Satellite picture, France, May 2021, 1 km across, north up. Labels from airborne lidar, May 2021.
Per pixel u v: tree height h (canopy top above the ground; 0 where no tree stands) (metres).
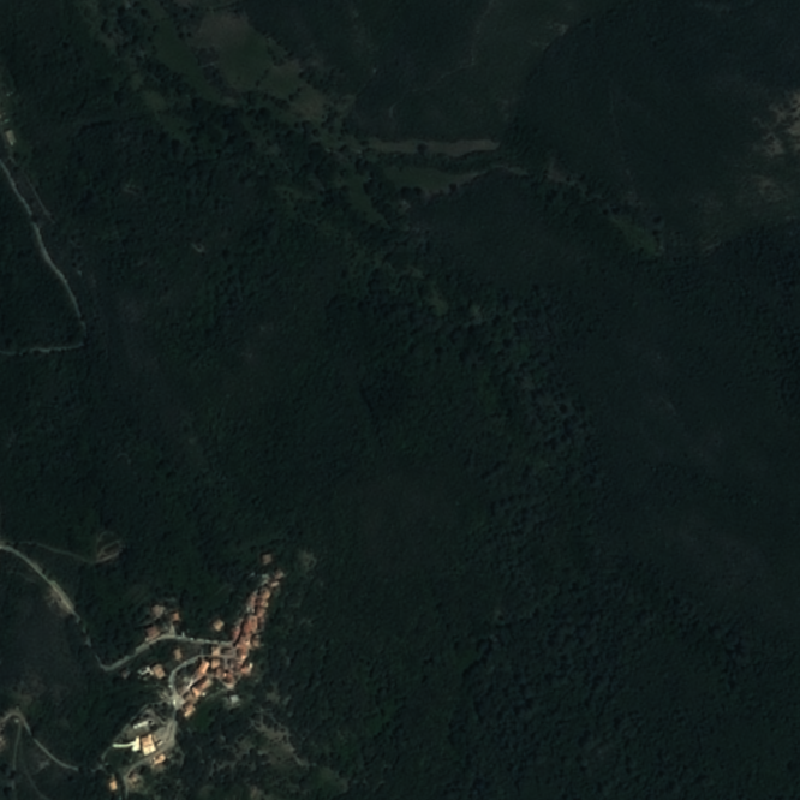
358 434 11
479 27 0
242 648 0
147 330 7
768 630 7
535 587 20
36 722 8
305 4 6
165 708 7
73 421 13
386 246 16
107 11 7
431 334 15
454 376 12
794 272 12
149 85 6
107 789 7
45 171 6
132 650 12
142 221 10
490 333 17
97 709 10
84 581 9
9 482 9
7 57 12
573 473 25
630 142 5
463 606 20
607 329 8
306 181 14
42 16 6
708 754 9
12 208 16
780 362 10
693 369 9
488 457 10
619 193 8
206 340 8
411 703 18
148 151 15
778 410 8
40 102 9
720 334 6
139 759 0
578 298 9
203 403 8
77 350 13
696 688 6
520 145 13
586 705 11
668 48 6
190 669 7
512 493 8
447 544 9
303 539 9
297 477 13
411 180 0
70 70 13
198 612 8
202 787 10
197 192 15
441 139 6
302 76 9
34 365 11
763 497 8
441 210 7
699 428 6
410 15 7
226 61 0
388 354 17
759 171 6
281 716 10
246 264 17
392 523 7
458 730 25
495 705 22
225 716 12
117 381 6
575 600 21
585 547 25
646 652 8
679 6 6
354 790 7
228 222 7
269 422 14
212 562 10
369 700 17
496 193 7
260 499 13
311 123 9
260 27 7
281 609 11
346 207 14
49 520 6
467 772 36
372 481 7
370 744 9
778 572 6
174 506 7
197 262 6
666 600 13
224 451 9
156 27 7
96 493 17
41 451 9
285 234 19
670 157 5
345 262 6
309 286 6
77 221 6
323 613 11
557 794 7
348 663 16
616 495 8
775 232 6
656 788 13
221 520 6
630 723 7
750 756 6
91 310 6
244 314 12
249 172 14
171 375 8
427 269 13
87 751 9
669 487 6
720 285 5
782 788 8
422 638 21
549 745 10
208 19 0
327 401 8
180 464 8
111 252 9
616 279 6
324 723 9
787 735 9
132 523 6
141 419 10
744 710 10
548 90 6
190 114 9
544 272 5
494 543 24
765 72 6
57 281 14
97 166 24
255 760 8
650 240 0
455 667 21
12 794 19
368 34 5
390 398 20
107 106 11
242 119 21
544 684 11
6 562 7
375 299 9
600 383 6
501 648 21
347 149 10
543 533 16
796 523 9
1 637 6
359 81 6
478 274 8
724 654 12
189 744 17
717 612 11
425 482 6
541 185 20
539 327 18
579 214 14
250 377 8
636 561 10
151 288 5
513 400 21
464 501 9
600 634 13
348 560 7
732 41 7
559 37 7
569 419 6
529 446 21
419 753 16
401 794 9
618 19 7
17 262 8
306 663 9
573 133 6
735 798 10
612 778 7
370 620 7
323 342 16
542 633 25
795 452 6
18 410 15
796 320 7
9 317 13
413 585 10
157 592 9
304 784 11
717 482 11
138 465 7
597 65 7
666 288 13
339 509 6
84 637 13
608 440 8
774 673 7
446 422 13
